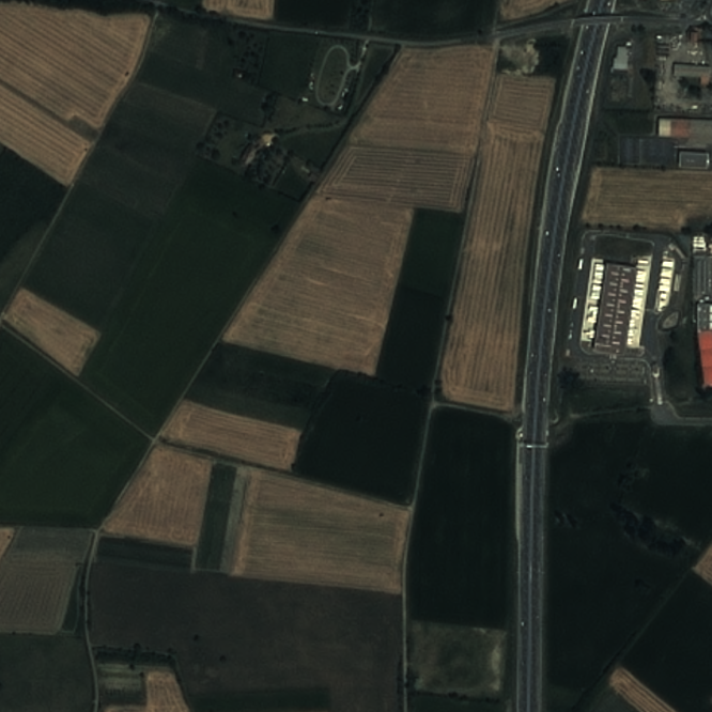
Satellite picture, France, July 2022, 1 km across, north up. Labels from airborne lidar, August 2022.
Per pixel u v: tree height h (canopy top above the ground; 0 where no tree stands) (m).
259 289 0
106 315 0
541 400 0
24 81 0
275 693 0
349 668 0
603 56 0
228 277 0
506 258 0
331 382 6
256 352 0
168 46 0
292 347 0
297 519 0
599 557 0
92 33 0
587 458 0
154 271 0
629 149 0
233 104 0
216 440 0
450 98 0
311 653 0
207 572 0
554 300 0
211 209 0
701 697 0
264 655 0
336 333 0
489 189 0
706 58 0
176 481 0
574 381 25
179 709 0
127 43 0
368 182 0
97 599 0
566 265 0
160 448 0
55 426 0
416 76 0
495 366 0
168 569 0
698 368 11
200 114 0
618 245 0
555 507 0
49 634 0
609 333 0
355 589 0
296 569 0
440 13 0
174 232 0
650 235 0
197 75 0
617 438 0
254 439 0
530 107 0
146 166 0
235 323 0
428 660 0
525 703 0
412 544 0
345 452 0
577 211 0
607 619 0
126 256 0
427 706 0
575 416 0
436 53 0
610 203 0
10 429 0
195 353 0
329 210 0
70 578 0
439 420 0
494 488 0
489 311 0
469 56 0
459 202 0
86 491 0
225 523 0
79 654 0
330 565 0
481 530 0
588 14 0
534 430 0
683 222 0
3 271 0
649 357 0
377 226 0
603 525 0
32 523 0
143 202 0
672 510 0
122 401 0
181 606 0
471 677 0
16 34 0
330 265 0
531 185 0
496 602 0
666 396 0
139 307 0
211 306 0
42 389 0
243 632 0
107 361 0
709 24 9
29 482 0
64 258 0
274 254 0
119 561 0
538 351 0
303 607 0
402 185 0
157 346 0
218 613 0
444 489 0
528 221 0
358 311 0
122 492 0
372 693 0
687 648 0
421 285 0
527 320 0
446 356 0
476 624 0
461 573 0
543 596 0
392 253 0
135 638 0
